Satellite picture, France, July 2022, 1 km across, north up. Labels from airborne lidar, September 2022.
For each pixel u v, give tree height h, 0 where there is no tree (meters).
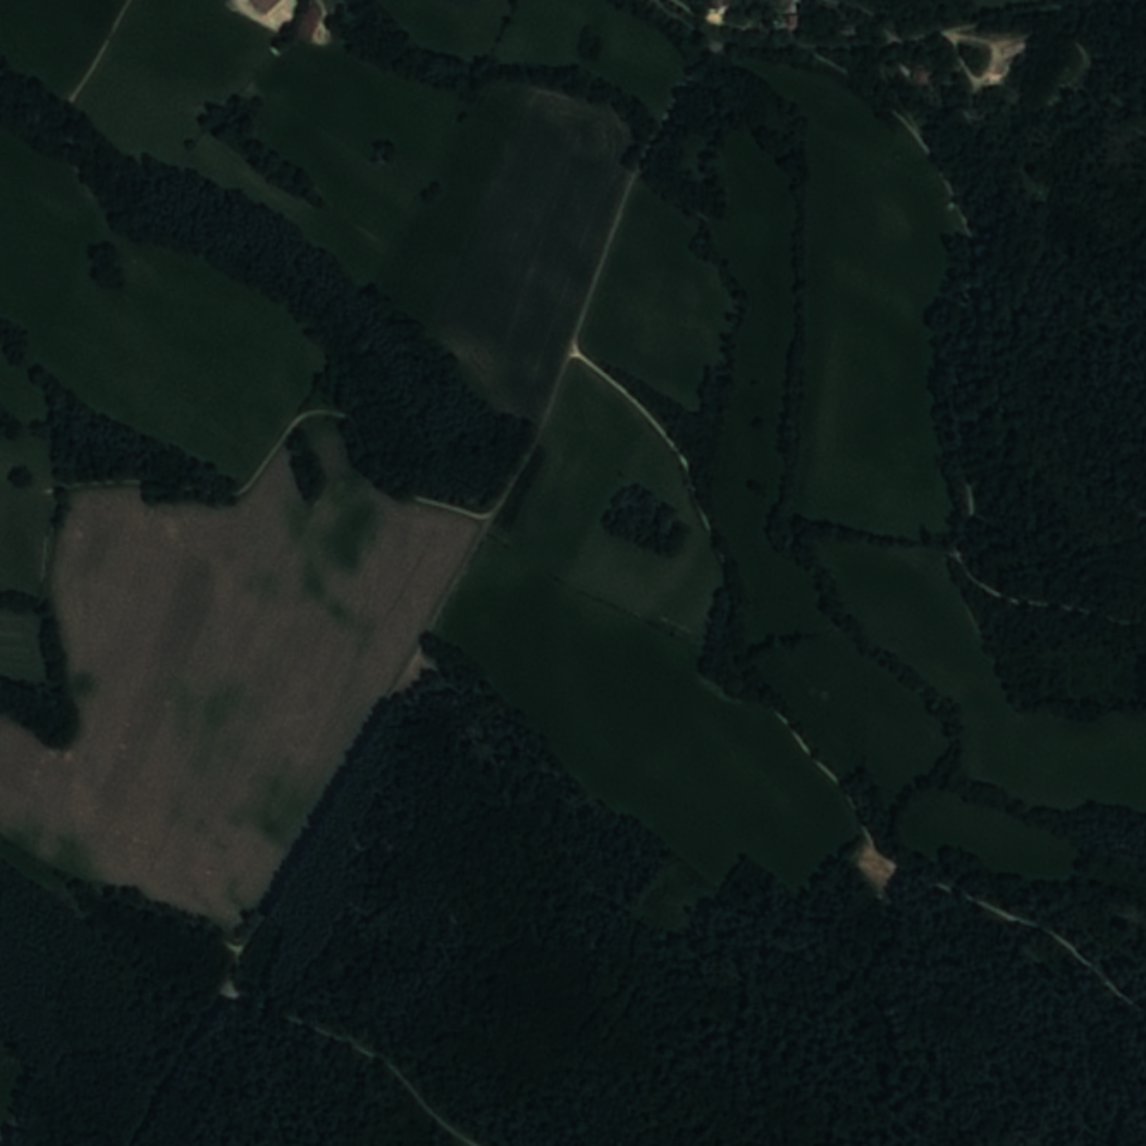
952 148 21
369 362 16
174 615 0
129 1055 19
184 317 0
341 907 29
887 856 14
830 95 0
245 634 0
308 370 0
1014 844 0
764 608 0
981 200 18
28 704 27
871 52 18
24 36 0
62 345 0
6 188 0
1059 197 5
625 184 0
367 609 0
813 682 0
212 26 0
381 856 18
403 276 0
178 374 0
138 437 19
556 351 0
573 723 0
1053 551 13
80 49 0
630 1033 17
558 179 0
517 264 0
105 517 0
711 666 18
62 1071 24
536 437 16
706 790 0
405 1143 10
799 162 15
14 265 0
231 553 0
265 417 0
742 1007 9
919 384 0
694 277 0
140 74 0
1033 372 18
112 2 0
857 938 17
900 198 0
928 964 29
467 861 18
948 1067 28
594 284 0
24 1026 22
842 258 0
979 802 19
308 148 0
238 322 0
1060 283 18
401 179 0
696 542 0
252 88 0
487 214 0
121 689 0
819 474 0
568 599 0
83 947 19
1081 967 12
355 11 18
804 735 13
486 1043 8
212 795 0
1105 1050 19
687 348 0
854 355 0
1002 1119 27
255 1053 28
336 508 0
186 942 11
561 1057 14
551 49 0
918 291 0
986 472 26
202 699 0
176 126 0
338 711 0
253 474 0
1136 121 22
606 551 0
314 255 25
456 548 0
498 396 0
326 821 26
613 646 0
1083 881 13
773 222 0
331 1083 18
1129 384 7
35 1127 27
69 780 0
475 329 0
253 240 24
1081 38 14
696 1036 29
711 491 12
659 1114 8
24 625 0
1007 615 13
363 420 15
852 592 0
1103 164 10
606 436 0
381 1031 22
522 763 29
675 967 12
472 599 0
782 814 0
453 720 16
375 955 16
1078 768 0
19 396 0
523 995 18
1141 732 0
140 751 0
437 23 0
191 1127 23
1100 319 19
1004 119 8
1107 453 18
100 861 0
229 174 0
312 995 27
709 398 14
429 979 22
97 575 0
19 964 19
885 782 0
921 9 12
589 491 0
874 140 0
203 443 0
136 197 21
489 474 19
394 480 14
